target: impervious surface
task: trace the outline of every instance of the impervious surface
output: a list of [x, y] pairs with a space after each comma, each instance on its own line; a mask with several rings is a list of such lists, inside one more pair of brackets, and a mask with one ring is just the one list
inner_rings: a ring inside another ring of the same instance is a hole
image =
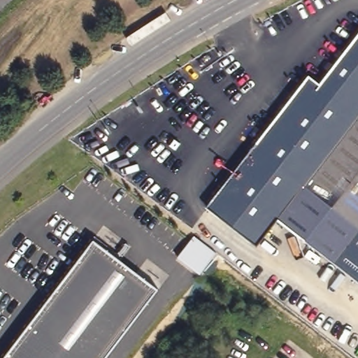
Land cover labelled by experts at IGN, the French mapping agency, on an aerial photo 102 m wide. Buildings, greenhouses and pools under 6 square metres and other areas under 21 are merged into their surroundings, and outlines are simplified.
[[91, 242], [101, 245], [150, 284], [154, 282], [161, 287], [143, 315], [138, 317], [137, 322], [109, 358], [124, 358], [173, 296], [186, 288], [187, 298], [194, 289], [200, 288], [196, 282], [199, 274], [190, 271], [178, 260], [180, 252], [193, 238], [213, 252], [213, 263], [210, 267], [211, 270], [218, 268], [227, 271], [249, 289], [253, 294], [262, 295], [270, 305], [278, 312], [284, 313], [289, 322], [294, 323], [294, 326], [309, 337], [317, 350], [326, 352], [330, 358], [358, 358], [358, 281], [345, 273], [333, 260], [315, 255], [313, 246], [305, 242], [295, 229], [289, 228], [284, 222], [275, 222], [273, 228], [264, 236], [264, 242], [256, 246], [207, 210], [206, 204], [227, 180], [229, 173], [242, 161], [250, 147], [256, 143], [268, 123], [302, 83], [303, 78], [322, 80], [331, 64], [336, 62], [337, 57], [358, 32], [358, 0], [193, 0], [190, 6], [169, 8], [154, 21], [148, 22], [134, 34], [126, 36], [120, 45], [112, 45], [112, 50], [92, 60], [87, 67], [81, 69], [78, 78], [66, 83], [60, 91], [45, 96], [36, 105], [34, 112], [25, 115], [24, 123], [15, 130], [13, 136], [7, 141], [0, 141], [0, 190], [36, 158], [41, 157], [43, 152], [60, 143], [67, 133], [80, 127], [92, 113], [106, 103], [112, 102], [116, 96], [171, 63], [175, 57], [185, 55], [200, 43], [204, 42], [207, 46], [206, 52], [194, 57], [185, 66], [179, 66], [178, 70], [168, 76], [162, 77], [158, 83], [145, 89], [143, 94], [122, 103], [119, 108], [106, 115], [105, 119], [95, 122], [92, 129], [78, 134], [73, 143], [83, 148], [85, 154], [94, 159], [96, 164], [102, 165], [101, 171], [89, 169], [76, 189], [57, 187], [52, 196], [22, 215], [0, 235], [0, 358], [3, 358]]
[[185, 305], [185, 302], [178, 301], [147, 337], [147, 343], [150, 344], [154, 343], [159, 331], [175, 322], [178, 316]]
[[287, 341], [281, 345], [281, 351], [277, 352], [274, 358], [313, 358], [294, 341]]

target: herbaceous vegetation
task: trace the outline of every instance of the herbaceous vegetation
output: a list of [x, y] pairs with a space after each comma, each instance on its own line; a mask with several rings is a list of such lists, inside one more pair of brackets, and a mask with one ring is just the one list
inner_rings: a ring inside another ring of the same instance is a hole
[[238, 294], [243, 294], [249, 289], [227, 271], [218, 268], [211, 270], [210, 267], [207, 270], [214, 277], [218, 275], [221, 278], [227, 291], [236, 289]]
[[208, 294], [211, 285], [203, 274], [199, 274], [196, 282], [200, 288], [194, 289], [187, 298], [186, 288], [173, 296], [124, 358], [143, 358], [144, 348], [150, 344], [147, 343], [147, 337], [178, 301], [185, 302], [185, 305], [178, 316], [192, 322], [193, 312], [199, 309], [201, 303], [214, 303], [220, 308], [221, 303]]
[[0, 235], [22, 215], [52, 196], [57, 187], [76, 189], [89, 169], [101, 171], [102, 165], [96, 164], [94, 159], [85, 154], [83, 148], [73, 143], [78, 134], [92, 129], [95, 122], [105, 119], [106, 115], [119, 108], [122, 103], [143, 94], [145, 89], [158, 83], [162, 77], [168, 76], [178, 70], [179, 66], [185, 66], [194, 57], [206, 52], [207, 46], [204, 42], [200, 43], [185, 55], [175, 57], [171, 63], [116, 96], [112, 102], [106, 103], [92, 113], [80, 127], [67, 133], [60, 143], [43, 152], [41, 157], [36, 158], [0, 190]]
[[213, 345], [221, 358], [274, 358], [277, 352], [281, 351], [281, 345], [287, 341], [294, 341], [313, 358], [330, 358], [326, 352], [317, 350], [309, 337], [294, 326], [294, 323], [289, 322], [284, 313], [278, 312], [270, 305], [267, 309], [252, 306], [248, 317], [224, 312], [214, 329], [201, 334], [203, 337], [214, 336]]

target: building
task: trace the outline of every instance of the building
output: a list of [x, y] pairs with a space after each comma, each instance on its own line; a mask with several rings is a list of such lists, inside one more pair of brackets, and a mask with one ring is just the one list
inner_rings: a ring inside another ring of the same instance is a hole
[[213, 263], [213, 252], [193, 238], [180, 252], [178, 260], [190, 271], [199, 274], [203, 274], [207, 270], [210, 267]]
[[154, 282], [150, 284], [101, 245], [91, 242], [3, 358], [109, 358], [137, 322], [138, 317], [143, 315], [161, 287]]
[[333, 260], [345, 273], [358, 281], [358, 32], [337, 57], [336, 62], [331, 64], [322, 80], [303, 78], [302, 83], [268, 123], [256, 143], [250, 147], [242, 161], [229, 173], [227, 180], [206, 204], [207, 210], [256, 246], [264, 242], [264, 236], [273, 228], [275, 222], [284, 222], [289, 228], [295, 229], [305, 242], [313, 246], [315, 255]]

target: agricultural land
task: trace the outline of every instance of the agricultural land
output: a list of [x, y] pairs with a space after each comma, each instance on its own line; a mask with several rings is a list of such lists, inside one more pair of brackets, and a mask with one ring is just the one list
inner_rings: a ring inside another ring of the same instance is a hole
[[134, 34], [148, 22], [154, 21], [169, 8], [190, 6], [193, 0], [113, 0], [122, 7], [127, 28], [124, 29], [123, 35], [106, 34], [102, 41], [94, 42], [88, 38], [83, 28], [83, 15], [94, 11], [95, 0], [0, 0], [0, 74], [7, 74], [8, 67], [14, 62], [15, 57], [28, 60], [29, 74], [32, 76], [29, 92], [42, 91], [42, 85], [36, 78], [35, 59], [38, 55], [45, 55], [60, 64], [66, 83], [78, 78], [81, 69], [73, 63], [70, 56], [73, 43], [85, 46], [91, 53], [92, 60], [112, 50], [112, 45], [120, 45], [126, 36]]

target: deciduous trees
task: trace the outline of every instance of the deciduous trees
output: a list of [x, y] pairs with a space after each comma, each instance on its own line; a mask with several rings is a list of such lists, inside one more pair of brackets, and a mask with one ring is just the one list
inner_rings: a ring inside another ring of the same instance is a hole
[[252, 306], [267, 309], [270, 305], [262, 295], [253, 294], [249, 289], [243, 294], [238, 294], [236, 289], [227, 291], [221, 278], [218, 275], [214, 277], [207, 270], [203, 274], [211, 285], [208, 294], [221, 303], [220, 308], [214, 303], [201, 303], [199, 309], [193, 312], [192, 322], [178, 316], [175, 322], [159, 331], [154, 343], [150, 344], [144, 348], [143, 358], [221, 358], [213, 345], [214, 336], [203, 337], [201, 334], [214, 329], [224, 312], [248, 317]]
[[87, 67], [92, 60], [91, 53], [85, 46], [73, 43], [70, 56], [73, 63], [81, 69]]
[[0, 141], [7, 141], [13, 136], [15, 130], [24, 123], [25, 115], [34, 112], [36, 105], [45, 96], [60, 91], [66, 83], [60, 64], [45, 55], [38, 55], [35, 59], [36, 78], [42, 85], [42, 91], [29, 92], [32, 76], [29, 74], [28, 60], [15, 57], [14, 62], [8, 67], [7, 74], [0, 74]]
[[83, 28], [88, 38], [94, 42], [102, 41], [106, 34], [123, 35], [124, 29], [127, 28], [122, 7], [113, 0], [95, 0], [94, 11], [83, 15]]

